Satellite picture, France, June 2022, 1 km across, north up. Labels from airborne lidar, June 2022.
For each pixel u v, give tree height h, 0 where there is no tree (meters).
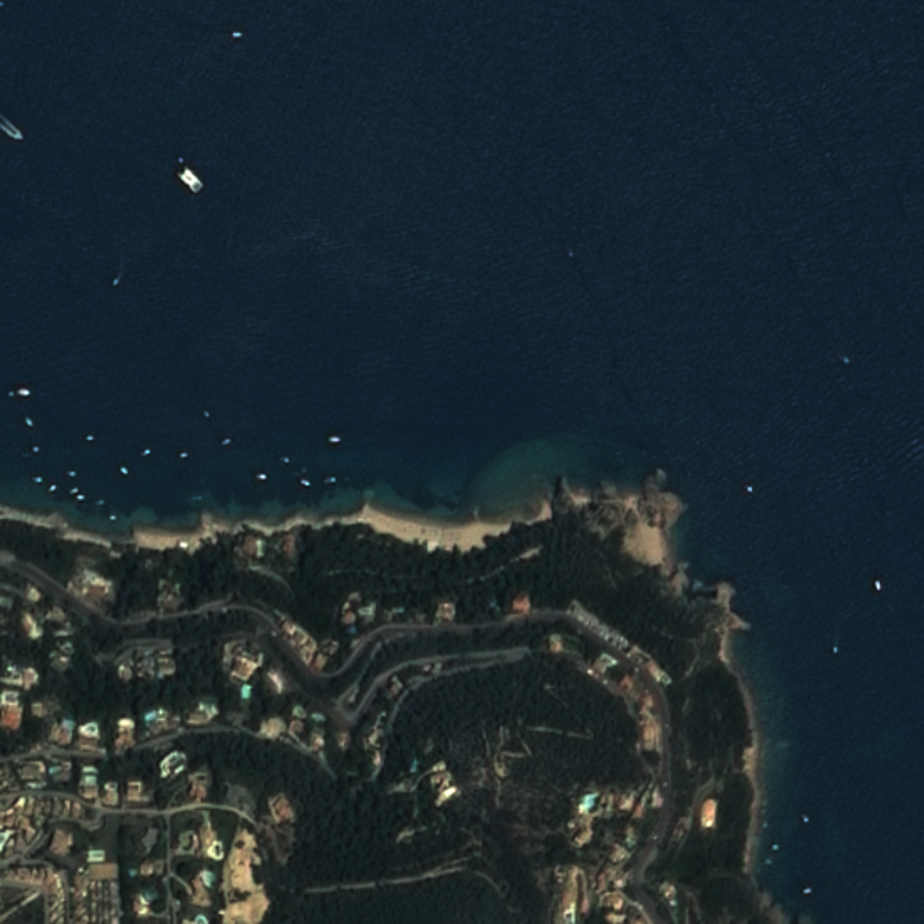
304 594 14
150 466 0
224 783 8
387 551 14
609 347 0
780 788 0
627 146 0
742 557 0
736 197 0
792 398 0
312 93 0
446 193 0
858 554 0
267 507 0
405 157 0
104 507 0
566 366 0
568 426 0
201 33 0
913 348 0
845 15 0
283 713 13
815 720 0
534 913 10
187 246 0
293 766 13
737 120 0
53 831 10
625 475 0
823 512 0
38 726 9
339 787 15
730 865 13
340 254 0
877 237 0
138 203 0
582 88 0
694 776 12
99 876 0
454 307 0
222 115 0
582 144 0
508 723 12
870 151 0
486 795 7
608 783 6
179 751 6
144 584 13
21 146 0
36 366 0
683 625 5
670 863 12
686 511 0
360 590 8
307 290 0
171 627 11
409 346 0
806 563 0
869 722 0
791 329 0
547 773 6
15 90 0
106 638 12
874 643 0
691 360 0
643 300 0
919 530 0
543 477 0
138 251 0
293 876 14
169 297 0
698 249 0
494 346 0
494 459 0
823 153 0
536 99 0
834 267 0
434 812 8
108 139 0
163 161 0
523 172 0
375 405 0
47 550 18
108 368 0
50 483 0
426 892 7
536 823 9
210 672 12
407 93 0
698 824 10
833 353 0
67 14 0
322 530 7
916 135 0
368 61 0
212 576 20
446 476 0
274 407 0
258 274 0
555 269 0
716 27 0
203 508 0
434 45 0
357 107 0
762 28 0
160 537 0
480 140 0
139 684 17
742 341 0
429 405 0
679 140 0
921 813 0
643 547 0
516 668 11
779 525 0
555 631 10
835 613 0
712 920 8
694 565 0
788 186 0
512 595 18
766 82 0
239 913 0
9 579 8
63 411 0
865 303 0
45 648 6
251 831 10
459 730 10
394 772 9
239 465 0
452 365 0
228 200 0
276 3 0
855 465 0
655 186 0
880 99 0
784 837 0
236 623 10
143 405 0
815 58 0
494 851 18
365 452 0
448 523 0
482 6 0
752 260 0
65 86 0
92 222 0
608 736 7
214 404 0
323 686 11
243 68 0
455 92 0
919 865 0
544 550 6
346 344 0
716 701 6
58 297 0
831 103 0
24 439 0
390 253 0
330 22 0
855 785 0
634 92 0
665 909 7
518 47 0
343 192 0
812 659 0
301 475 0
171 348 0
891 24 0
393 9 0
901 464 0
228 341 0
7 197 0
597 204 0
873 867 0
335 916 10
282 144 0
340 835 9
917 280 0
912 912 0
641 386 0
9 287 0
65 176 0
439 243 0
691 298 0
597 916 12
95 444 0
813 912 0
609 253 0
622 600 9
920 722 0
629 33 0
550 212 0
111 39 0
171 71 0
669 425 0
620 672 9
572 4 0
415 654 9
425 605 13
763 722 0
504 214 0
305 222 0
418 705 9
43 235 0
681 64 0
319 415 0
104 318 0
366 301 0
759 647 0
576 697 10
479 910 7
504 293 0
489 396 0
